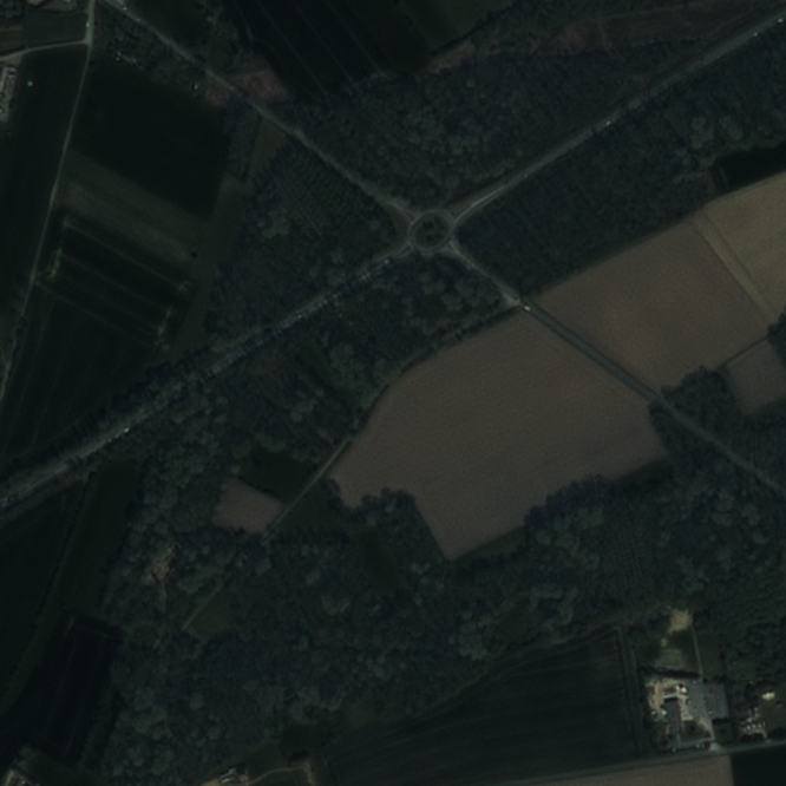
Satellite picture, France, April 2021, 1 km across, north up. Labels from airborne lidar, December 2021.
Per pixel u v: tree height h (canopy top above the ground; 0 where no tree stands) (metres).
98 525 0
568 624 12
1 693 0
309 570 33
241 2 0
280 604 33
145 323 0
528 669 0
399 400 0
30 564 0
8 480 13
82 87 0
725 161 0
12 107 7
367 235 28
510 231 23
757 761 0
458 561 0
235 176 20
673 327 0
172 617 9
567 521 34
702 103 29
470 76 26
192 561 23
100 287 0
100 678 0
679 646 0
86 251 0
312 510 0
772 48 23
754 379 0
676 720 0
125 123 0
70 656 0
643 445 0
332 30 0
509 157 28
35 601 0
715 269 0
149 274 0
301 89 0
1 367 10
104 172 0
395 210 0
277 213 34
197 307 0
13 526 0
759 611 14
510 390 0
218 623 0
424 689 25
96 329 0
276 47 0
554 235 24
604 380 0
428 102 31
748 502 32
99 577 0
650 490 18
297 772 0
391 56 0
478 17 0
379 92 36
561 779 0
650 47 8
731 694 11
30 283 20
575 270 20
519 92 25
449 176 32
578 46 0
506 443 0
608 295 0
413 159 36
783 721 0
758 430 26
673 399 21
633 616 23
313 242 21
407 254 0
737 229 0
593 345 0
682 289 0
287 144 0
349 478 0
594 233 19
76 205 0
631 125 34
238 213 0
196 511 36
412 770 0
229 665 24
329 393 22
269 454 0
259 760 0
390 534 20
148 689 35
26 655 0
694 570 33
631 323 0
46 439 0
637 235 17
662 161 11
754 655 13
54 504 0
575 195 21
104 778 24
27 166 0
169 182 0
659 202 29
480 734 0
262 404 27
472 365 0
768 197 0
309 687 32
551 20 22
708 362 0
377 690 25
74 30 0
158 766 30
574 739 0
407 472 0
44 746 0
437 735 0
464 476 0
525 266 20
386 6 0
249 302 29
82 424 0
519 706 0
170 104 0
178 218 0
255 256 30
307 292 19
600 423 0
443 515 0
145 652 7
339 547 20
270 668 33
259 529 0
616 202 22
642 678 8
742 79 20
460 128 28
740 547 25
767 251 0
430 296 16
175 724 10
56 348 0
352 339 37
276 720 28
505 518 0
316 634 25
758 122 20
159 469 21
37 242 0
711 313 0
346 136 26
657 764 0
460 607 27
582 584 27
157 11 0
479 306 27
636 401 0
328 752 0
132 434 9
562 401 0
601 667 0
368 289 28
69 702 0
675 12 0
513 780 0
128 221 0
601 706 0
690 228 0
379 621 32
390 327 27
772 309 0
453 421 0
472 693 0
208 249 0
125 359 0
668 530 30
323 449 15
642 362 0
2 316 0
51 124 0
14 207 0
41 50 0
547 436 0
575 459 0
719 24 0
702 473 35
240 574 32
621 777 0
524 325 0
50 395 0
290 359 23
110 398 0
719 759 0
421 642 19
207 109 0
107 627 0
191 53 0
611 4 26
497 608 25
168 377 24
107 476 0
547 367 0
